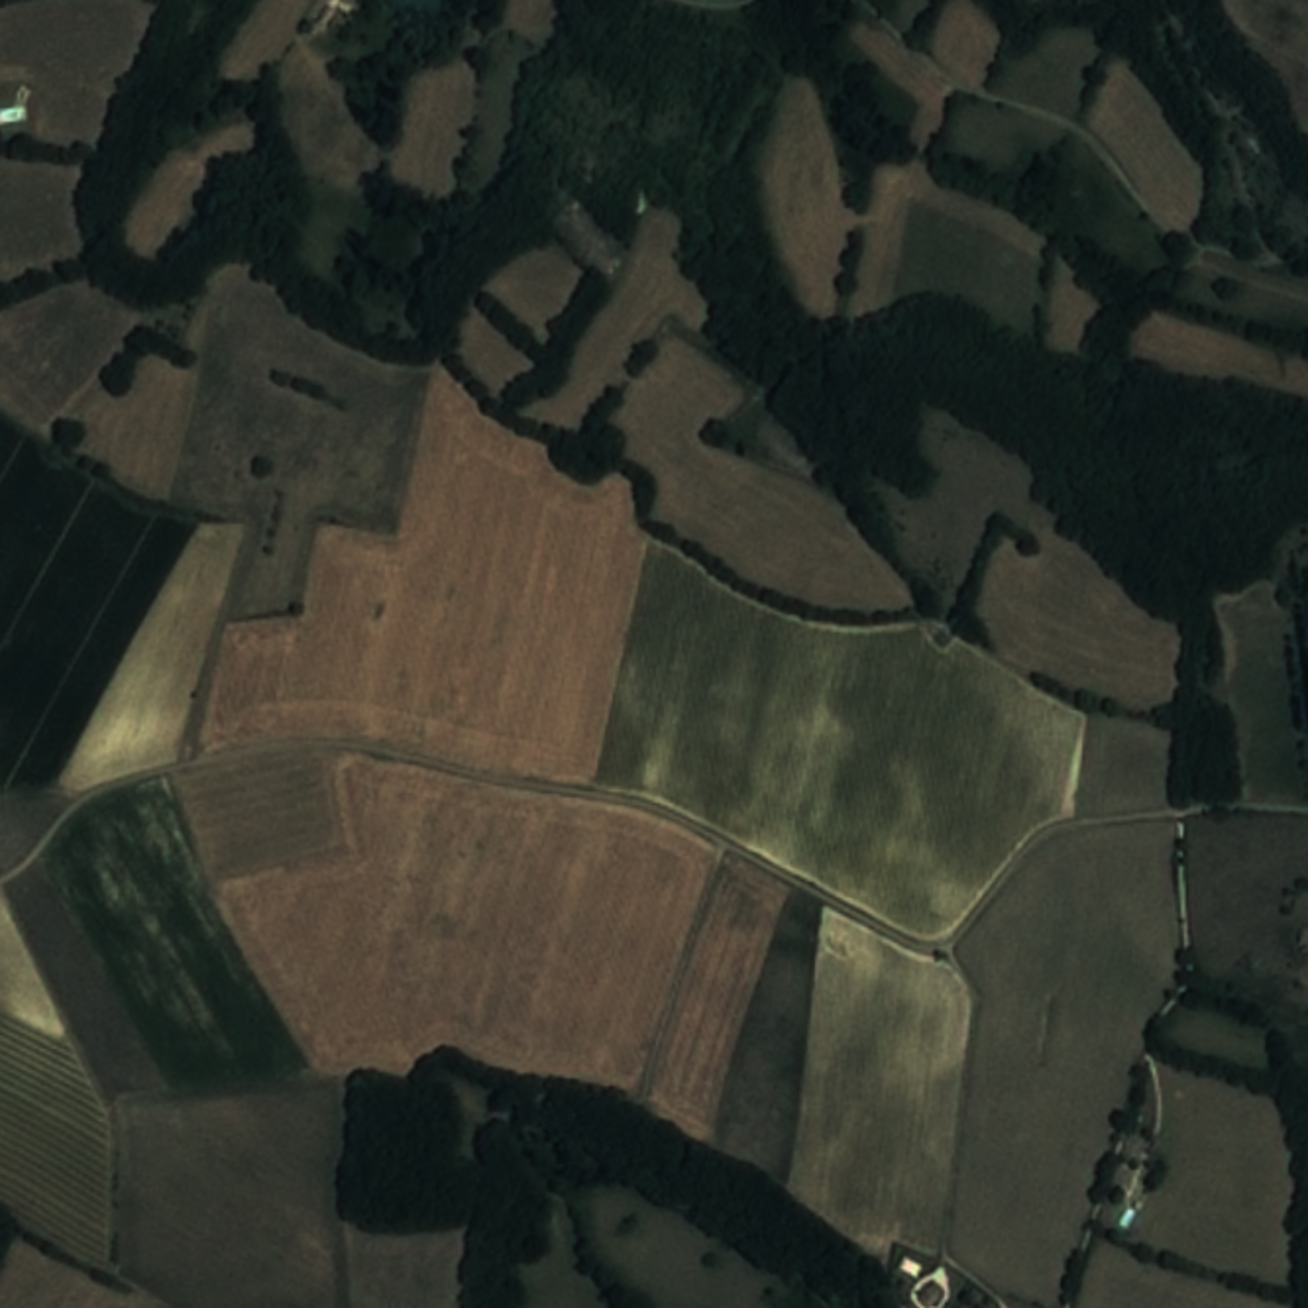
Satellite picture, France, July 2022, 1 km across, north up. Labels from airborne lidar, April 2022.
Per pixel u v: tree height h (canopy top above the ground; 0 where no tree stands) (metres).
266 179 15
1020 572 0
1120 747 0
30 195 0
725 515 0
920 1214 0
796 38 16
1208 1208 0
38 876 0
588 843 0
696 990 0
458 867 0
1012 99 0
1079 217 0
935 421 0
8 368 0
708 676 0
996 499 0
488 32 11
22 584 0
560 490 0
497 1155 20
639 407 0
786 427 15
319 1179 0
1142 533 19
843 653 0
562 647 0
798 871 0
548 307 0
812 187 0
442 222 21
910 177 0
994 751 0
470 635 0
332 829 0
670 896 0
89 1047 0
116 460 0
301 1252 0
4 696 0
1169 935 0
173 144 28
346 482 0
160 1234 0
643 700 0
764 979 0
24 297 14
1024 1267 0
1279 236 10
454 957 0
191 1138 0
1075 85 0
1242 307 0
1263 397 20
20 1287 0
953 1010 0
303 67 0
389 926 0
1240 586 7
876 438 20
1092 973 0
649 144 9
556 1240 0
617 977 0
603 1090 7
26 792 0
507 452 0
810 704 0
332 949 0
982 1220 0
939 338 15
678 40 6
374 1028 0
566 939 0
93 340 0
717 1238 16
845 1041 0
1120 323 13
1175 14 11
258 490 0
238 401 0
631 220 14
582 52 18
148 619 0
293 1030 0
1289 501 16
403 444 0
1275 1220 0
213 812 0
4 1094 0
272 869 0
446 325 17
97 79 0
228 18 18
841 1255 18
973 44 0
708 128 9
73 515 0
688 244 13
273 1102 0
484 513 0
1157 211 0
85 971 0
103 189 13
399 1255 0
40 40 0
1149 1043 10
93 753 0
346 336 13
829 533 0
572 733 0
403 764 0
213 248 20
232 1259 0
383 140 30
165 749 0
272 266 21
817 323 11
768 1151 0
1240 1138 0
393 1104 18
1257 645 0
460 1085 0
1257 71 16
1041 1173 0
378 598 0
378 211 17
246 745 0
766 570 0
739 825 0
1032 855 0
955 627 13
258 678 0
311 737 0
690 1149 14
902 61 0
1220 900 0
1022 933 0
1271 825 0
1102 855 0
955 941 0
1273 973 0
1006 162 0
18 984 0
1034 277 0
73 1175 0
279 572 0
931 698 0
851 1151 0
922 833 0
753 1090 0
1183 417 18
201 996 0
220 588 0
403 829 0
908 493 11
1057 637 0
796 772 0
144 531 0
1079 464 12
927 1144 0
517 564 0
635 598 0
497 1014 0
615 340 0
